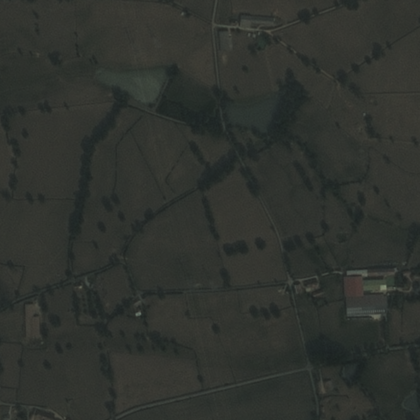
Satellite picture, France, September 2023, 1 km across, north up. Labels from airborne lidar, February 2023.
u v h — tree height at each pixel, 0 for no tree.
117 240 0
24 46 0
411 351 16
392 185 0
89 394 0
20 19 0
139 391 0
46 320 0
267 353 0
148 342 0
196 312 0
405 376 0
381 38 0
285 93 18
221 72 0
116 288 0
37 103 0
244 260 0
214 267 0
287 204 0
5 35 0
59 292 0
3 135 0
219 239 0
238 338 0
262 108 0
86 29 0
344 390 0
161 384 0
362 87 0
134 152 0
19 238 0
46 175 0
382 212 0
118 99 19
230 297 0
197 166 0
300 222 0
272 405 0
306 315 0
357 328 0
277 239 0
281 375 0
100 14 0
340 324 0
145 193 0
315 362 24
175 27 0
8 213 0
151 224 0
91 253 0
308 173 0
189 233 0
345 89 0
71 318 0
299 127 0
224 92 0
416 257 0
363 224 0
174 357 0
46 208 0
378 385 0
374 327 0
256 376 0
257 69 0
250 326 0
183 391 0
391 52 0
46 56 0
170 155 0
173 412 0
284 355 0
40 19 0
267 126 0
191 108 0
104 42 0
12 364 0
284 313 0
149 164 0
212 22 0
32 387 0
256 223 0
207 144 0
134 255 0
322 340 10
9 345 0
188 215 0
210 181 22
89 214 0
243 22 0
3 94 0
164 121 0
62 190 0
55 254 0
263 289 0
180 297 0
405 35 0
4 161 0
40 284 0
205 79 0
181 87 0
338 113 0
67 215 0
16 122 0
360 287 0
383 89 0
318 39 0
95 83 0
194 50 0
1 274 0
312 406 0
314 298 9
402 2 0
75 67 0
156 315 0
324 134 0
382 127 0
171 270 0
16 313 0
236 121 0
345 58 0
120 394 0
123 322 0
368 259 0
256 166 0
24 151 0
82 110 0
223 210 0
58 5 0
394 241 0
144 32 0
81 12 0
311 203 0
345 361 16
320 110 0
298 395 0
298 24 0
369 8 0
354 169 0
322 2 0
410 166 0
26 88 0
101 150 0
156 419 0
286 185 0
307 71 0
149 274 0
